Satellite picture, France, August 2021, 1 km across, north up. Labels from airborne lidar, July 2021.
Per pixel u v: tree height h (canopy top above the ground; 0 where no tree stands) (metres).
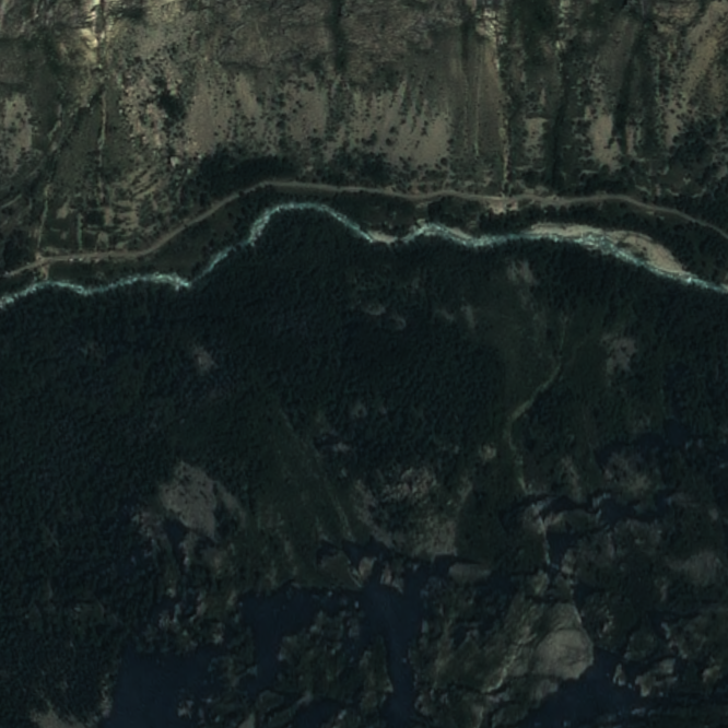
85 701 9
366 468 13
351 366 16
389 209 7
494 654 0
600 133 0
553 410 14
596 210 13
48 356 11
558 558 0
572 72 0
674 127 0
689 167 10
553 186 9
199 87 0
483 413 12
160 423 7
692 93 0
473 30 0
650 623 5
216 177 12
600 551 8
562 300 11
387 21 0
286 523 0
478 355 7
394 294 12
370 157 9
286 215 9
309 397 15
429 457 11
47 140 0
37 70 0
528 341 0
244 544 0
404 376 9
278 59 0
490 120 0
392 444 12
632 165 9
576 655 0
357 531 0
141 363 25
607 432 8
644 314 13
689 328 19
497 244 7
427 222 8
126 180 0
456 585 11
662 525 8
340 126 0
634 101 0
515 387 0
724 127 8
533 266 12
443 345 12
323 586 0
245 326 11
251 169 12
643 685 0
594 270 14
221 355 13
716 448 17
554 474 9
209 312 13
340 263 13
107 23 0
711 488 5
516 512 13
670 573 9
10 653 6
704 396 6
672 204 14
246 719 6
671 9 0
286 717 0
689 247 13
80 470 12
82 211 5
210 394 11
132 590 11
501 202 0
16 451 11
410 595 0
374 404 7
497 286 0
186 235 12
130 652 8
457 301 8
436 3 0
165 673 0
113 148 0
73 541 14
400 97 0
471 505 0
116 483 14
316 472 0
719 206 9
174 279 0
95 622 7
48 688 7
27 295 7
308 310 16
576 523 0
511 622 0
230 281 13
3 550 13
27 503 9
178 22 0
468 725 0
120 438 11
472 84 0
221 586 16
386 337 18
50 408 12
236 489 7
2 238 13
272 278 10
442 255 12
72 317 8
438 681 0
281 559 0
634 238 0
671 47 0
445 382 10
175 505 0
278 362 11
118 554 11
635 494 0
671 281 7
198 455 8
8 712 12
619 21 0
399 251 18
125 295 10
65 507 10
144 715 0
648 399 6
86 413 19
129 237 0
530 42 0
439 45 0
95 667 7
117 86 0
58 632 10
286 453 0
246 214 17
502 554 7
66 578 14
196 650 0
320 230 19
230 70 0
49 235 0
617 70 0
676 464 15
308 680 0
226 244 13
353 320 17
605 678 0
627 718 0
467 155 0
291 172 10
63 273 0
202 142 0
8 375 17
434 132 0
